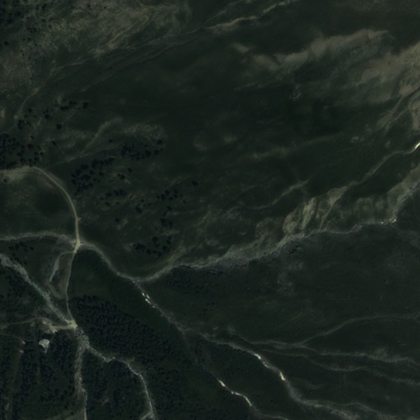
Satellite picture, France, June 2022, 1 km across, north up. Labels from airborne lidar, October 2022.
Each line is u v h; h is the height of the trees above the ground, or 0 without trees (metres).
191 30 0
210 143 0
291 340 0
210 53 0
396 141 0
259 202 0
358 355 0
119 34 0
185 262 0
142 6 0
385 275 0
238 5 0
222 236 0
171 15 0
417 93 0
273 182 0
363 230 0
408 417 0
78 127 0
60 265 0
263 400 0
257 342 0
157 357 17
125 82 0
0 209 0
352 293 0
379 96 0
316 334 0
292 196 0
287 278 0
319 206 0
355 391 0
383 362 0
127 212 0
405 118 0
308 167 0
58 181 0
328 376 0
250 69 0
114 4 0
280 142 0
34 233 0
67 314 0
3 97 0
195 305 0
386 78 0
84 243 0
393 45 0
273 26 0
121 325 21
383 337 0
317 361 0
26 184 0
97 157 0
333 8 0
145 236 0
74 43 0
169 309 0
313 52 0
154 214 0
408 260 0
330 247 0
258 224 0
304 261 0
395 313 0
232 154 0
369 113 0
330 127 0
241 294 0
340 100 0
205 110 0
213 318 0
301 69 0
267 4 0
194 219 0
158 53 0
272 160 0
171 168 0
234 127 0
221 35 0
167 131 0
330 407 0
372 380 0
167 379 11
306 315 0
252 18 0
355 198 0
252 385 0
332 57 0
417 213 0
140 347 15
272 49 0
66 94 0
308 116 0
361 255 0
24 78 0
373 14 0
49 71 0
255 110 0
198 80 0
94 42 0
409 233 0
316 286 0
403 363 0
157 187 0
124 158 9
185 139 0
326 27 0
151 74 0
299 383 0
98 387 6
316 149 0
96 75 0
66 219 0
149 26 0
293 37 0
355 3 0
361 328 0
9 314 7
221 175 0
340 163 0
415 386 0
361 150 0
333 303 0
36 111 0
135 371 0
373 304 0
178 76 0
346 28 0
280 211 0
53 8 0
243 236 0
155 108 0
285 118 0
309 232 0
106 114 0
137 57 0
